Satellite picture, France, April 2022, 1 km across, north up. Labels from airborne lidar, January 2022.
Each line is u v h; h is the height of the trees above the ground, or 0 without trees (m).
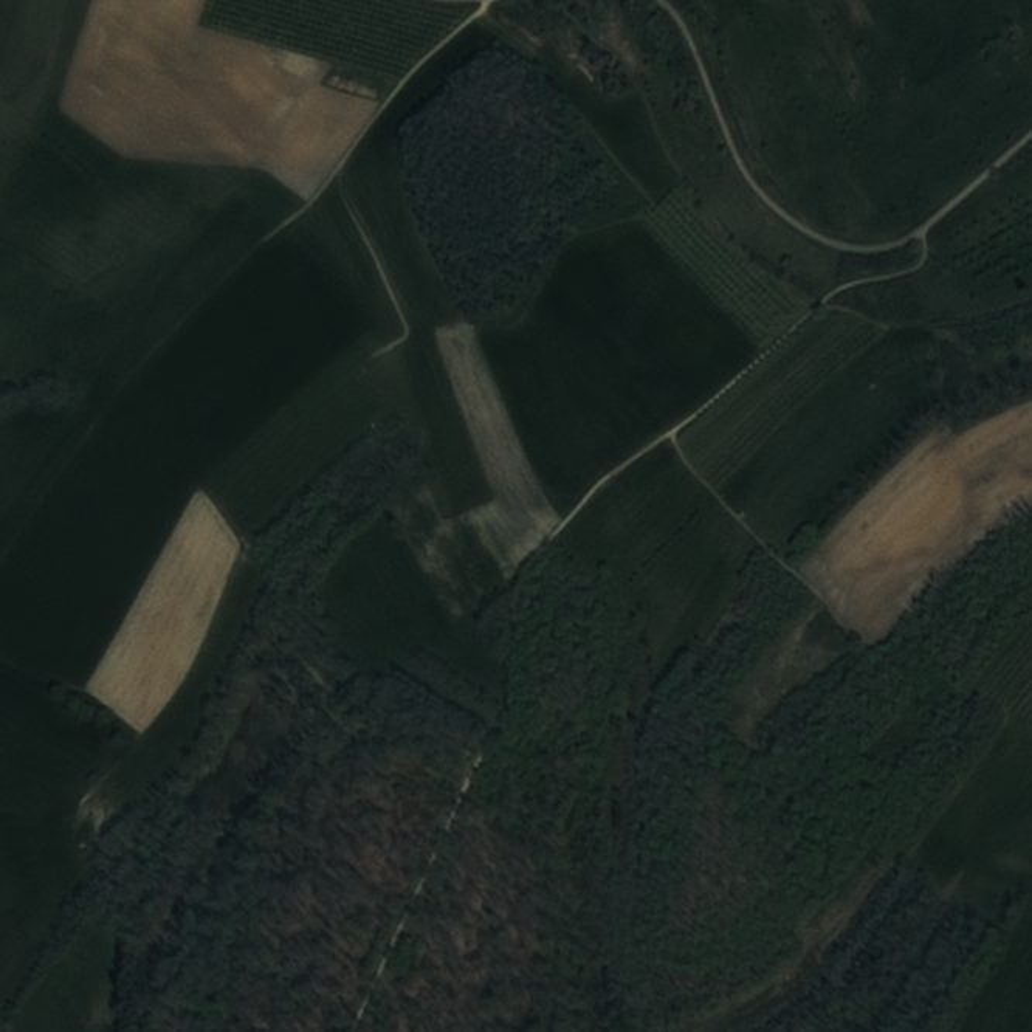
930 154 0
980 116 0
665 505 0
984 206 0
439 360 0
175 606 0
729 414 0
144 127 0
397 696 28
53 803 0
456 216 15
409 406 0
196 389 0
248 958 29
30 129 0
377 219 0
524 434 0
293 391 0
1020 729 0
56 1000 0
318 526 22
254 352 0
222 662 0
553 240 10
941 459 0
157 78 0
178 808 29
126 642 0
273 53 0
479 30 0
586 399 0
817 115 0
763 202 0
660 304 0
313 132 0
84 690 0
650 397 0
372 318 0
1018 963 0
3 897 0
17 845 0
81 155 0
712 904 22
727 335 0
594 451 0
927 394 0
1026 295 18
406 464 23
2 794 0
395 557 0
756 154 0
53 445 0
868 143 0
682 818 23
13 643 0
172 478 0
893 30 0
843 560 0
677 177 0
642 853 22
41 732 0
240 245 0
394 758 29
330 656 22
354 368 0
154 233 0
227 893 29
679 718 25
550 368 0
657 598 0
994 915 0
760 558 11
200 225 0
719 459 0
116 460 0
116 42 0
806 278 0
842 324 0
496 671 0
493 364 0
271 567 18
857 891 0
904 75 0
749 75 0
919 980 23
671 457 0
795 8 0
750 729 0
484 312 16
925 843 0
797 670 0
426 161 16
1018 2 0
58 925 0
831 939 0
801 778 27
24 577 0
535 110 22
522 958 20
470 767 26
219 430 0
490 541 0
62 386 18
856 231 0
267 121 0
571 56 0
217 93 0
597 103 0
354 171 0
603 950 33
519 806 30
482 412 0
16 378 0
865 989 26
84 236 0
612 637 16
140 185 0
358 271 0
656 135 0
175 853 29
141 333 0
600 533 0
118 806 0
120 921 27
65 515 0
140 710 0
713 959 22
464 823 28
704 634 0
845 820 25
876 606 0
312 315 0
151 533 0
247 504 0
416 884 25
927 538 0
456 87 19
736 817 21
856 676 20
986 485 0
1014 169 0
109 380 0
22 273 0
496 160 20
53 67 0
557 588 13
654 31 16
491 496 0
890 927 19
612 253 0
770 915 23
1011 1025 0
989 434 0
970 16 0
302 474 0
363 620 0
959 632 19
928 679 11
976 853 0
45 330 0
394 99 0
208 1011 28
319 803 30
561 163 16
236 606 0
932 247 0
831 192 0
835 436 0
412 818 8
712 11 0
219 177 0
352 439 0
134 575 0
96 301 0
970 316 0
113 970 0
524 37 0
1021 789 0
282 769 7
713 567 0
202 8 0
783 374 0
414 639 0
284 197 0
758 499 0
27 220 0
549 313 0
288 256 0
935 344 0
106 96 0
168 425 0
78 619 0
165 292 0
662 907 19
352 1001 0
